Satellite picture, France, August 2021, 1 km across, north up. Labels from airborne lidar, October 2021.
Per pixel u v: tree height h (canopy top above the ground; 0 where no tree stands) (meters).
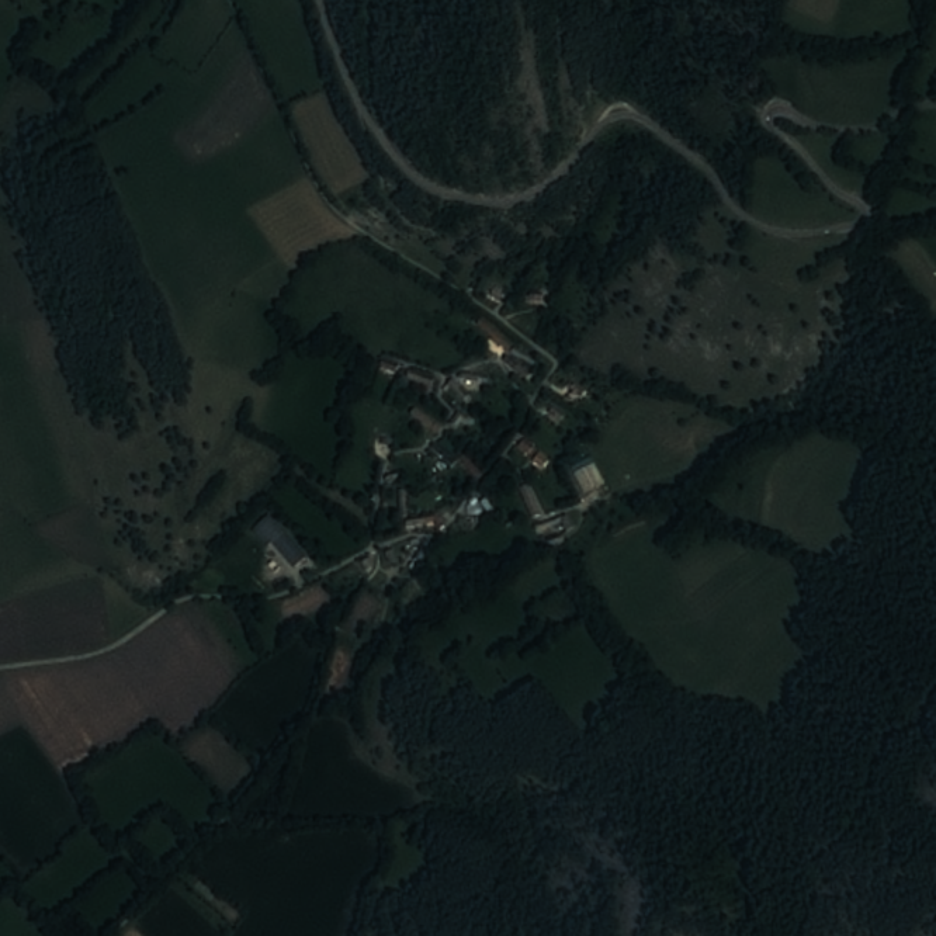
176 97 0
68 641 0
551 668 0
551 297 9
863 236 19
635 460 0
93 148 10
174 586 9
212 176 0
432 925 15
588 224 20
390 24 20
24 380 0
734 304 0
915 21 11
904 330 31
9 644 0
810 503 0
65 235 12
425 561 8
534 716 22
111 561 0
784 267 0
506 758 17
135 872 16
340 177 0
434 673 10
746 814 20
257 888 0
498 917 22
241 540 21
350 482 0
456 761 16
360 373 24
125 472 0
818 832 20
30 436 0
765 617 0
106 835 19
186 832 19
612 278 9
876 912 14
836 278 0
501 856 21
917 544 26
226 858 0
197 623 0
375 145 13
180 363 10
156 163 0
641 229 17
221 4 0
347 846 0
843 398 26
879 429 29
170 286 0
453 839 21
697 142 16
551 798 17
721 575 0
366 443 0
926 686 22
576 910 10
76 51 0
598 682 0
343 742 0
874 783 18
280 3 0
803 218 0
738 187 16
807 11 0
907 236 20
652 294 0
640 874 15
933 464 23
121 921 9
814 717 26
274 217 0
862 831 19
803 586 14
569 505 13
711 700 14
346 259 0
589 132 0
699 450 0
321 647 15
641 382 7
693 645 0
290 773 22
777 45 18
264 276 0
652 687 21
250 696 0
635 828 15
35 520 0
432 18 19
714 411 18
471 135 8
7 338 0
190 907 0
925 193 16
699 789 16
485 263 15
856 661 24
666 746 19
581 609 14
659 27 22
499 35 9
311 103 0
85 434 0
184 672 0
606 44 14
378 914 17
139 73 0
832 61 21
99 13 15
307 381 0
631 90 7
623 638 19
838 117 0
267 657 8
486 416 15
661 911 11
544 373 10
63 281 12
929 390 14
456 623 0
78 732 0
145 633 0
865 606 18
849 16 0
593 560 0
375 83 14
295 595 14
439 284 10
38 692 0
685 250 11
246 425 15
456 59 10
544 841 21
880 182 24
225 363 0
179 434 13
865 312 29
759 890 28
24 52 21
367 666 7
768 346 0
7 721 0
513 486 17
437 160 7
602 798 20
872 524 23
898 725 19
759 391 0
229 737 12
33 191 14
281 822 17
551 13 16
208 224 0
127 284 12
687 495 27
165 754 0
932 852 19
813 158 0
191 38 0
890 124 20
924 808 14
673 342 0
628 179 17
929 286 0
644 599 0
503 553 0
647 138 11
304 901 0
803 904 15
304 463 7
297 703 0
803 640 20
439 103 14
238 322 0
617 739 23
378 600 0
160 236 0
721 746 23
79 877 0
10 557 0
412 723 14
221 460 0
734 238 6
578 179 13
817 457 0
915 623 24
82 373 11
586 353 0
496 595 25
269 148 0
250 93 0
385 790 0
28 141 13
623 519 8
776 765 17
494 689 0
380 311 0
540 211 9
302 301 0
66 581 0
